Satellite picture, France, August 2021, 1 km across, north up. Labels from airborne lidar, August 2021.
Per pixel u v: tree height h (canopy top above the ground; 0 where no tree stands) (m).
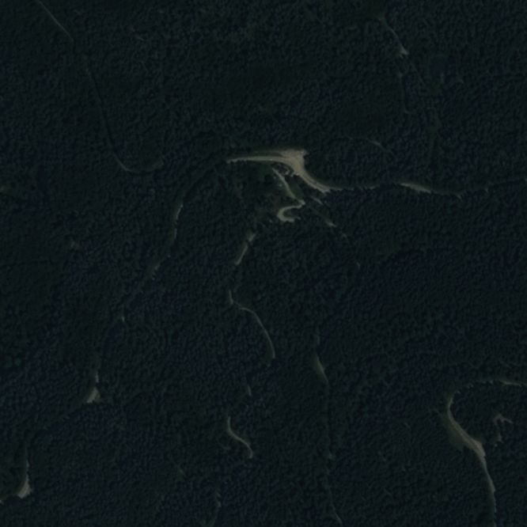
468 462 23
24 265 31
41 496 28
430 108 31
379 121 22
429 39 6
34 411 15
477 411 23
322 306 19
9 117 26
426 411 21
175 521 27
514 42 26
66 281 25
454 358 23
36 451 26
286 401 25
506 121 28
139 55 24
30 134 29
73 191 27
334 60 19
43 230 29
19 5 30
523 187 23
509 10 31
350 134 21
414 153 30
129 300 28
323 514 35
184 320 27
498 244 25
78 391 18
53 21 15
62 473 35
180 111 7
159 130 26
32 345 13
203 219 22
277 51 25
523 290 27
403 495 8
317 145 17
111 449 12
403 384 24
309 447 25
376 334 20
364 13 11
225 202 12
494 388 25
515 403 19
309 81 30
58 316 25
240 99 23
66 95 22
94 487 34
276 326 25
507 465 24
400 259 22
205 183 22
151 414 20
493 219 15
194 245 27
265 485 21
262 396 25
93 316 9
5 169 35
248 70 20
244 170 21
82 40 18
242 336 28
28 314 29
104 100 16
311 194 11
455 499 18
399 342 21
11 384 30
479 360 23
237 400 20
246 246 0
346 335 18
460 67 16
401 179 33
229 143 21
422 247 21
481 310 22
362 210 32
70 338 12
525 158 29
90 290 22
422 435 21
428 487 21
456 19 26
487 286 25
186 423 16
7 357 32
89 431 30
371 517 24
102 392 25
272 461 22
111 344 20
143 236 18
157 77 26
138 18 23
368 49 14
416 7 27
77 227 27
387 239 23
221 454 7
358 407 7
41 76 20
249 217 30
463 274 22
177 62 21
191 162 22
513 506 24
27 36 31
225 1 26
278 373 16
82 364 20
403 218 25
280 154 0
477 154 29
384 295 24
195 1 28
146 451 29
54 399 29
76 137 25
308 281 25
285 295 21
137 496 22
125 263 32
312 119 30
